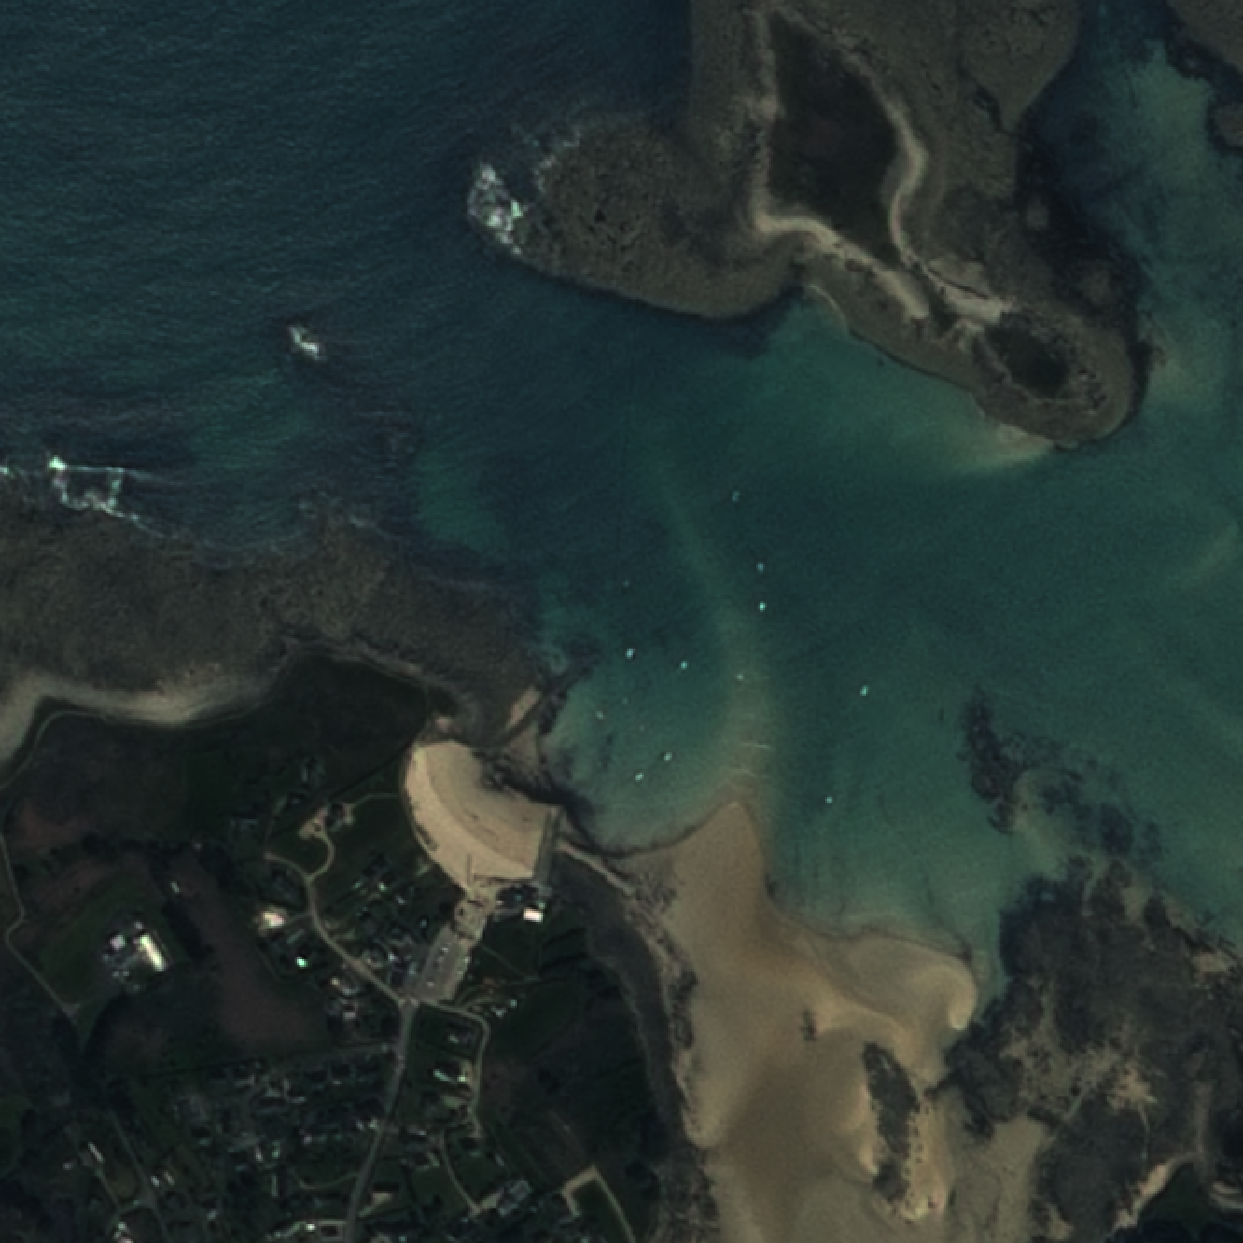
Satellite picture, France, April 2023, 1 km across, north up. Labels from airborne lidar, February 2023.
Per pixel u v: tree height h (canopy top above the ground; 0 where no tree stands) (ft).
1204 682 0
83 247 0
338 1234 0
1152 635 0
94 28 0
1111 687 0
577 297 0
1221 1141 0
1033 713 0
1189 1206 0
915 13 0
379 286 0
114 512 0
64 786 0
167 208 0
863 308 0
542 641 0
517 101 0
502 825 0
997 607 0
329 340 0
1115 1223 0
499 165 0
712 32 0
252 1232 30
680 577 0
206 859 40
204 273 0
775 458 0
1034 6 0
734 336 0
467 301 0
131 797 0
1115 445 0
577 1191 0
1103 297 0
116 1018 23
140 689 0
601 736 0
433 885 0
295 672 0
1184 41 0
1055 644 0
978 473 0
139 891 0
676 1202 0
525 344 0
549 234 0
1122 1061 0
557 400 0
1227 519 0
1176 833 0
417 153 0
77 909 0
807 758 0
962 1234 0
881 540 0
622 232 0
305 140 0
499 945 0
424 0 0
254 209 0
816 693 0
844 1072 0
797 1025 0
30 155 0
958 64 0
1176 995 0
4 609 0
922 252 0
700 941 0
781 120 0
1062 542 0
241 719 0
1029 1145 0
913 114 0
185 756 0
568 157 0
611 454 0
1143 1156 0
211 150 0
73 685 0
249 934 0
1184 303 0
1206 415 0
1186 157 0
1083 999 0
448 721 0
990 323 0
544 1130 0
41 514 0
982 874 0
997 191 0
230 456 0
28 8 0
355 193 0
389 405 0
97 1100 52
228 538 0
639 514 0
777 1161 0
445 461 0
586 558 0
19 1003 19
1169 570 0
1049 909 0
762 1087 0
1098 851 0
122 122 0
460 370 0
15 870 19
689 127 0
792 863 0
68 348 0
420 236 0
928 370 0
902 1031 0
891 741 0
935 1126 0
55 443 0
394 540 0
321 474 0
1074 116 0
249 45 0
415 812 0
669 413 0
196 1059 0
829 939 0
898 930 0
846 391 0
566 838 0
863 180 0
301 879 0
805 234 0
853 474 0
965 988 0
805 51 0
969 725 0
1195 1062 0
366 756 0
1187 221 0
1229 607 0
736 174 0
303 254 0
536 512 0
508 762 0
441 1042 0
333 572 0
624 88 0
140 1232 0
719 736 0
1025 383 0
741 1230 0
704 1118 0
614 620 0
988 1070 0
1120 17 0
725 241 0
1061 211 0
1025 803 0
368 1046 0
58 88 0
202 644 0
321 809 0
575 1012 0
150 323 0
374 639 0
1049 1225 0
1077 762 0
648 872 0
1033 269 0
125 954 0
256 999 0
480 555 0
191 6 0
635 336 0
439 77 0
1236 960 0
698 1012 0
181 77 0
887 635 0
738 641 0
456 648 0
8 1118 0
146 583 0
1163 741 0
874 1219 0
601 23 0
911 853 0
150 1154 0
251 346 0
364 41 0
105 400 0
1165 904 0
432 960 0
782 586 0
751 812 0
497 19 0
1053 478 0
